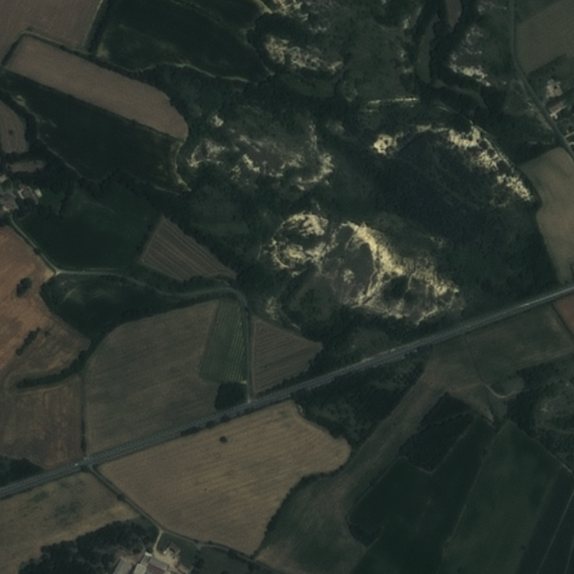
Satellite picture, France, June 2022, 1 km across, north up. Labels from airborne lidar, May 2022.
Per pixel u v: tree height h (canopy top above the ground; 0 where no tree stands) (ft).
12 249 0
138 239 0
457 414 43
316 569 0
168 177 0
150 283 34
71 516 0
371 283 0
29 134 45
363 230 0
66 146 0
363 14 19
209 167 24
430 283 0
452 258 17
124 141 0
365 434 30
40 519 0
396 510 0
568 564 0
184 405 0
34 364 0
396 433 0
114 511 0
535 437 25
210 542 24
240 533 0
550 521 0
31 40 0
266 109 26
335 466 0
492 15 0
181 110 39
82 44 0
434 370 0
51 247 0
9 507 0
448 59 20
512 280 36
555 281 19
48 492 0
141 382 0
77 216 0
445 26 53
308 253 0
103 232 0
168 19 0
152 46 0
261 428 0
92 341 24
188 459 0
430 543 0
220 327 0
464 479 0
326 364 44
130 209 0
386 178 28
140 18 0
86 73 0
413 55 38
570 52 0
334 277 0
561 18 0
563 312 0
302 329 25
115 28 0
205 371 0
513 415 30
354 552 0
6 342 0
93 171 0
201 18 0
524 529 0
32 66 0
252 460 0
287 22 36
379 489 0
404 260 0
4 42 0
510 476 0
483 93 47
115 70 29
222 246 22
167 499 0
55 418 0
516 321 0
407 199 40
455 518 0
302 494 0
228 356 0
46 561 36
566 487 0
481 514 0
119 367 0
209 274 0
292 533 0
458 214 45
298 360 0
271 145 0
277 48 0
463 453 0
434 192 34
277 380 0
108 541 34
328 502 0
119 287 0
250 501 0
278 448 0
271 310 0
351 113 37
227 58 0
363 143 20
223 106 32
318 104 20
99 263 0
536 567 0
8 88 0
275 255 0
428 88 51
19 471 33
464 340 0
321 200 25
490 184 20
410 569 0
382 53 0
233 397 42
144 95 0
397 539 0
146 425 0
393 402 42
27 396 0
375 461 0
